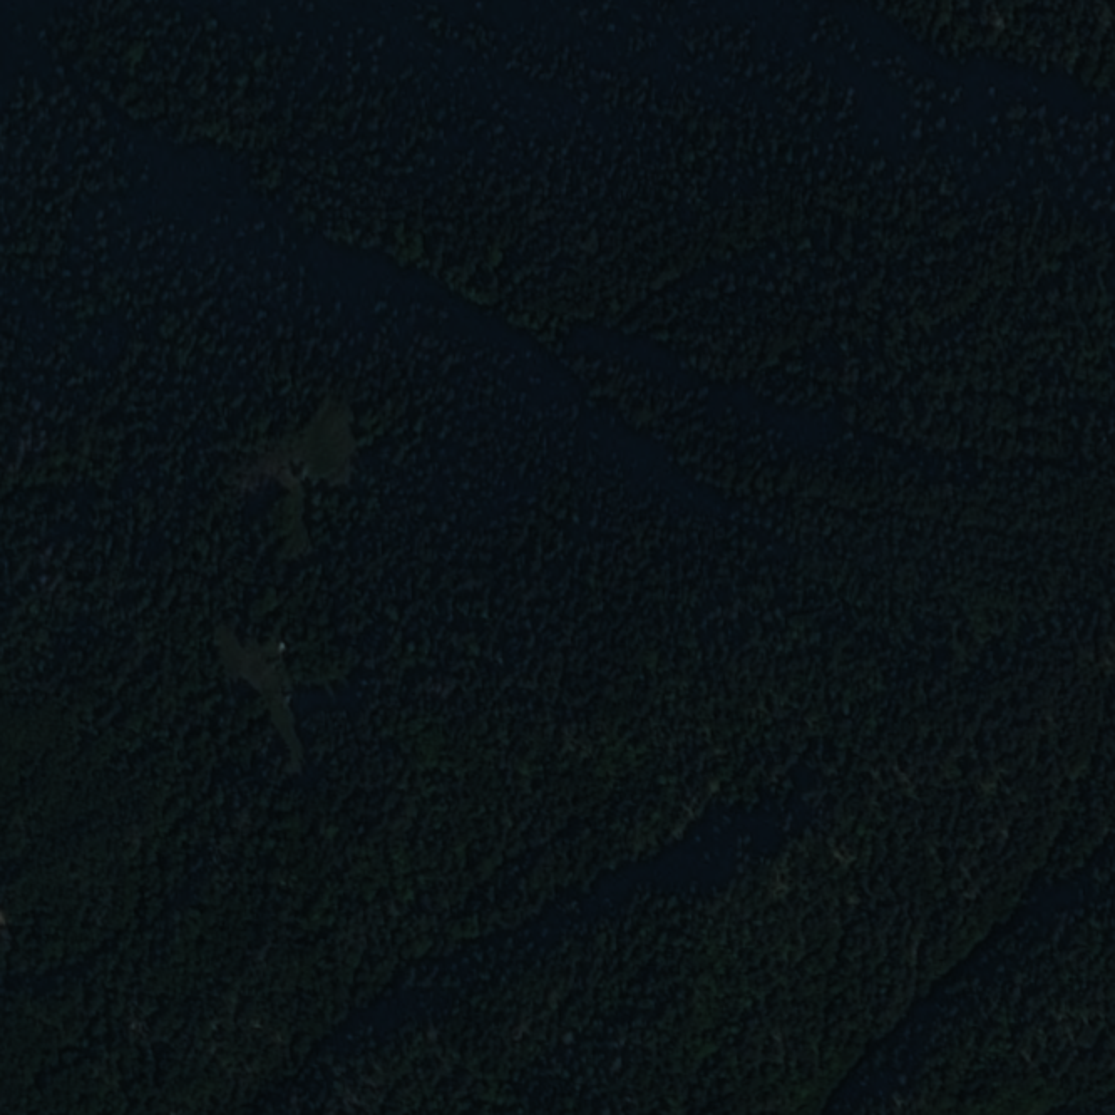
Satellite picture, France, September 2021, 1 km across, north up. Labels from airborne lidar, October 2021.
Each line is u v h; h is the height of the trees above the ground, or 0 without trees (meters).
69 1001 22
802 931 26
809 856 11
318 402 19
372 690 33
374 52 29
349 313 24
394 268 29
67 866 16
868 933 20
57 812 26
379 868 17
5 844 24
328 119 29
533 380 15
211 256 32
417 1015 15
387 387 28
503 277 22
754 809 10
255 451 19
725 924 14
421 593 18
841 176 14
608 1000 25
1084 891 14
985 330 9
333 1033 25
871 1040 22
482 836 23
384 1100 15
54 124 29
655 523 20
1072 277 12
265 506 8
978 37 14
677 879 11
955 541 9
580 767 6
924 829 22
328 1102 26
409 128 26
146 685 27
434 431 14
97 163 22
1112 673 6
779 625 10
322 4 7
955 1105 16
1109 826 11
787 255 15
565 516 14
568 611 28
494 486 20
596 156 29
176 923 19
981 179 14
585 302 21
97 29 23
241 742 28
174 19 27
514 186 24
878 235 10
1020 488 7
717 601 17
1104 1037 15
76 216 16
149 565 27
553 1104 22
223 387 23
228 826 32
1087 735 20
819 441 17
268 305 33
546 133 29
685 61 26
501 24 21
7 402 23
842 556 11
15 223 34
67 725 29
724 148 16
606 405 9
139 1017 23
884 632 8
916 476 11
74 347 27
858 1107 25
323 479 0
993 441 10
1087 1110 6
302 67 25
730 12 12
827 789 9
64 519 27
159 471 30
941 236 25
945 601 10
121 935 28
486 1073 26
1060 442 9
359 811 24
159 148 13
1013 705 6
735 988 23
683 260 26
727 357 18
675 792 13
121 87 27
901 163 12
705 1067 18
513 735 22
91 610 24
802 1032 25
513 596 30
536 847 34
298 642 10
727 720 17
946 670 30
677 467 13
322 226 20
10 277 22
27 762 25
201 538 22
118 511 24
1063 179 12
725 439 21
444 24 26
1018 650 10
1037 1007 20
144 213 18
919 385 13
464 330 13
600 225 28
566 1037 23
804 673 17
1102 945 13
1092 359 9
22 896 26
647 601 24
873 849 26
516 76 29
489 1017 21
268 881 35
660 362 18
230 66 22
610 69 27
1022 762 29
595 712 20
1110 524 7
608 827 16
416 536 22
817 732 12
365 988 29
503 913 31
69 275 22
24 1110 30
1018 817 23
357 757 33
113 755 21
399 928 25
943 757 27
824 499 15
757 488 15
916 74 11
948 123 11
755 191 25
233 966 30
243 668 0
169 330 26
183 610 17
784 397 20
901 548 8
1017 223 11
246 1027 19
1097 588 9
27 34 29
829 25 19
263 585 25
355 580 18
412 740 17
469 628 13
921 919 18
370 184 18
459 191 24
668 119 32
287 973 38
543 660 31
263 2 15
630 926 16
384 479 14
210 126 20
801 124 13
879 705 9
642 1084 26
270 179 24
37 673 20
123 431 18
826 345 14
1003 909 18
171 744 23
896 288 22
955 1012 7
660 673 14
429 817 25
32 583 16
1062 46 12
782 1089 36
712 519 11
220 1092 29
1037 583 9
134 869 26
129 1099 29
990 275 18
